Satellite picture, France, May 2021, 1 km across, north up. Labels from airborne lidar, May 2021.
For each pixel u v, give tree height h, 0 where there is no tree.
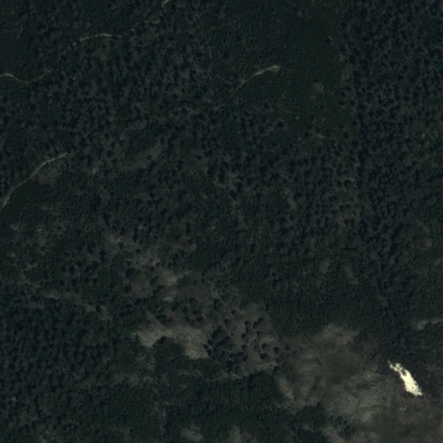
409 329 9
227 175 23
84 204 12
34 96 34
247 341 6
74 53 12
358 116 8
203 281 11
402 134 27
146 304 27
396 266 12
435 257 10
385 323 14
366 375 0
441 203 23
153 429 10
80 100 8
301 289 11
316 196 24
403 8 32
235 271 11
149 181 22
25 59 12
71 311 8
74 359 28
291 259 16
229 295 12
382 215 10
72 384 20
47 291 10
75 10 33
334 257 13
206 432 8
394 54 9
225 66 10
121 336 15
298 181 18
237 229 13
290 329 12
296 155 25
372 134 31
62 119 9
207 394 25
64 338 6
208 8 17
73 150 31
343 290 14
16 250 8
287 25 7
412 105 9
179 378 8
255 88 8
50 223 14
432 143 12
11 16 15
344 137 8
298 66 8
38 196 11
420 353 8
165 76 16
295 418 11
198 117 13
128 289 6
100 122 8
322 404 10
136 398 15
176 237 9
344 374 0
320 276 8
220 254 10
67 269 25
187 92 26
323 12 7
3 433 9
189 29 6
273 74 8
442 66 20
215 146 34
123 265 10
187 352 0
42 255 7
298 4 7
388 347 8
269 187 29
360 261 11
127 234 19
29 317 20
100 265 28
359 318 11
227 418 13
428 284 8
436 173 11
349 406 0
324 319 11
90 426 15
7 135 17
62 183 13
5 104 10
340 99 7
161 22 7
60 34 32
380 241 25
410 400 0
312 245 23
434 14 8
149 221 11
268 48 11
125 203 13
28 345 11
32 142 14
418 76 16
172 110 25
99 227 11
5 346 26
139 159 0
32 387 6
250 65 6
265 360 21
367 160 40
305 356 0
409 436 0
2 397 14
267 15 11
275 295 9
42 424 22
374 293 20
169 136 30
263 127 10
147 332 0
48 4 18
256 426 13
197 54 11
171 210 10
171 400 7
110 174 22
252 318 0
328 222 20
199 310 6
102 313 26
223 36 8
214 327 7
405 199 13
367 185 26
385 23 5
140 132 7
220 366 11
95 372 22
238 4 11
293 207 23
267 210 8
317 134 6
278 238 10
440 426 0
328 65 7
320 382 0
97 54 11
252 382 22
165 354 15
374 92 16
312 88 6
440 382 0
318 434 9
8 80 12
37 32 18
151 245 6
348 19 19
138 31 7
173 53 33
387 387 0
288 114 7
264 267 10
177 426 12
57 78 9
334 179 28
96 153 9
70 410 13
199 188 9
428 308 9
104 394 16
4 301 13
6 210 9
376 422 0
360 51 14
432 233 8
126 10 20
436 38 22
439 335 7
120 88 16
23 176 9
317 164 32
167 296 0
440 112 27
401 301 9
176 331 0
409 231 18
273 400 15
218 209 10
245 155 21
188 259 14
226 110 13
